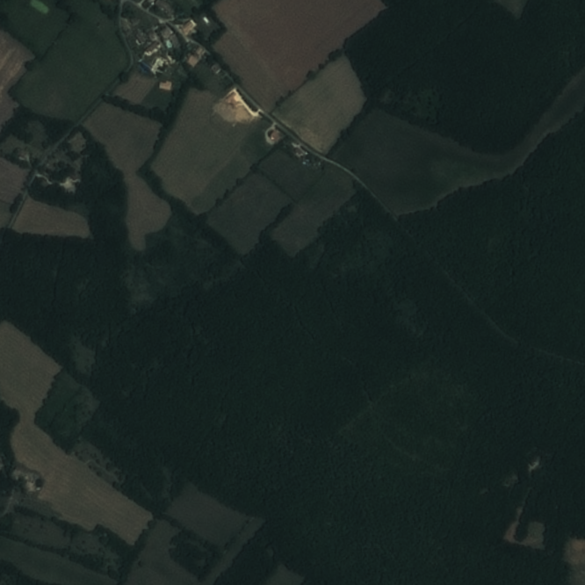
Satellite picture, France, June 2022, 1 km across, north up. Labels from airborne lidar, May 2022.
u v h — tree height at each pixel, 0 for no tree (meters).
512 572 10
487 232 12
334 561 10
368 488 11
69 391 0
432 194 0
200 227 13
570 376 13
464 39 11
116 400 13
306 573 12
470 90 13
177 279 6
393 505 11
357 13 0
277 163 0
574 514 15
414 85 14
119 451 8
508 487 8
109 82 0
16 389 0
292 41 0
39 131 0
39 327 12
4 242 7
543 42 11
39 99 0
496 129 14
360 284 12
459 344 12
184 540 6
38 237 15
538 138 0
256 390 10
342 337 13
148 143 0
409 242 12
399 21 13
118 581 8
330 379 13
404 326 5
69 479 0
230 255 7
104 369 10
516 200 13
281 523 12
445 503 8
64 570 0
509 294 6
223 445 12
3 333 0
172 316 13
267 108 0
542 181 12
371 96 12
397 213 0
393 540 8
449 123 15
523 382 13
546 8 13
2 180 0
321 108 0
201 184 0
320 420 14
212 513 0
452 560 11
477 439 8
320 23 0
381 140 0
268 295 11
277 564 14
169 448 10
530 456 8
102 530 9
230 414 12
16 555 0
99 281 7
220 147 0
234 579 13
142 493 7
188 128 0
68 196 10
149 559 0
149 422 13
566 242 11
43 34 0
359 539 13
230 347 13
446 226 12
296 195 0
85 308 10
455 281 8
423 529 11
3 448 10
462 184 0
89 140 8
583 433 11
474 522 10
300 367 12
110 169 6
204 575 10
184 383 14
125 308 8
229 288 12
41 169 8
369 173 0
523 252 14
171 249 5
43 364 0
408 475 8
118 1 7
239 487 11
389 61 12
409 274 14
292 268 11
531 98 12
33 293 11
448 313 14
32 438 0
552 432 11
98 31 0
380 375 12
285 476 15
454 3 11
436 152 0
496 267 10
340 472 11
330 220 6
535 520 11
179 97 12
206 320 14
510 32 11
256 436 8
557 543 9
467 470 7
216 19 9
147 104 0
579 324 13
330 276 9
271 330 12
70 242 12
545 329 14
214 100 0
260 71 0
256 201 0
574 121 11
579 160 8
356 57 15
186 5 0
